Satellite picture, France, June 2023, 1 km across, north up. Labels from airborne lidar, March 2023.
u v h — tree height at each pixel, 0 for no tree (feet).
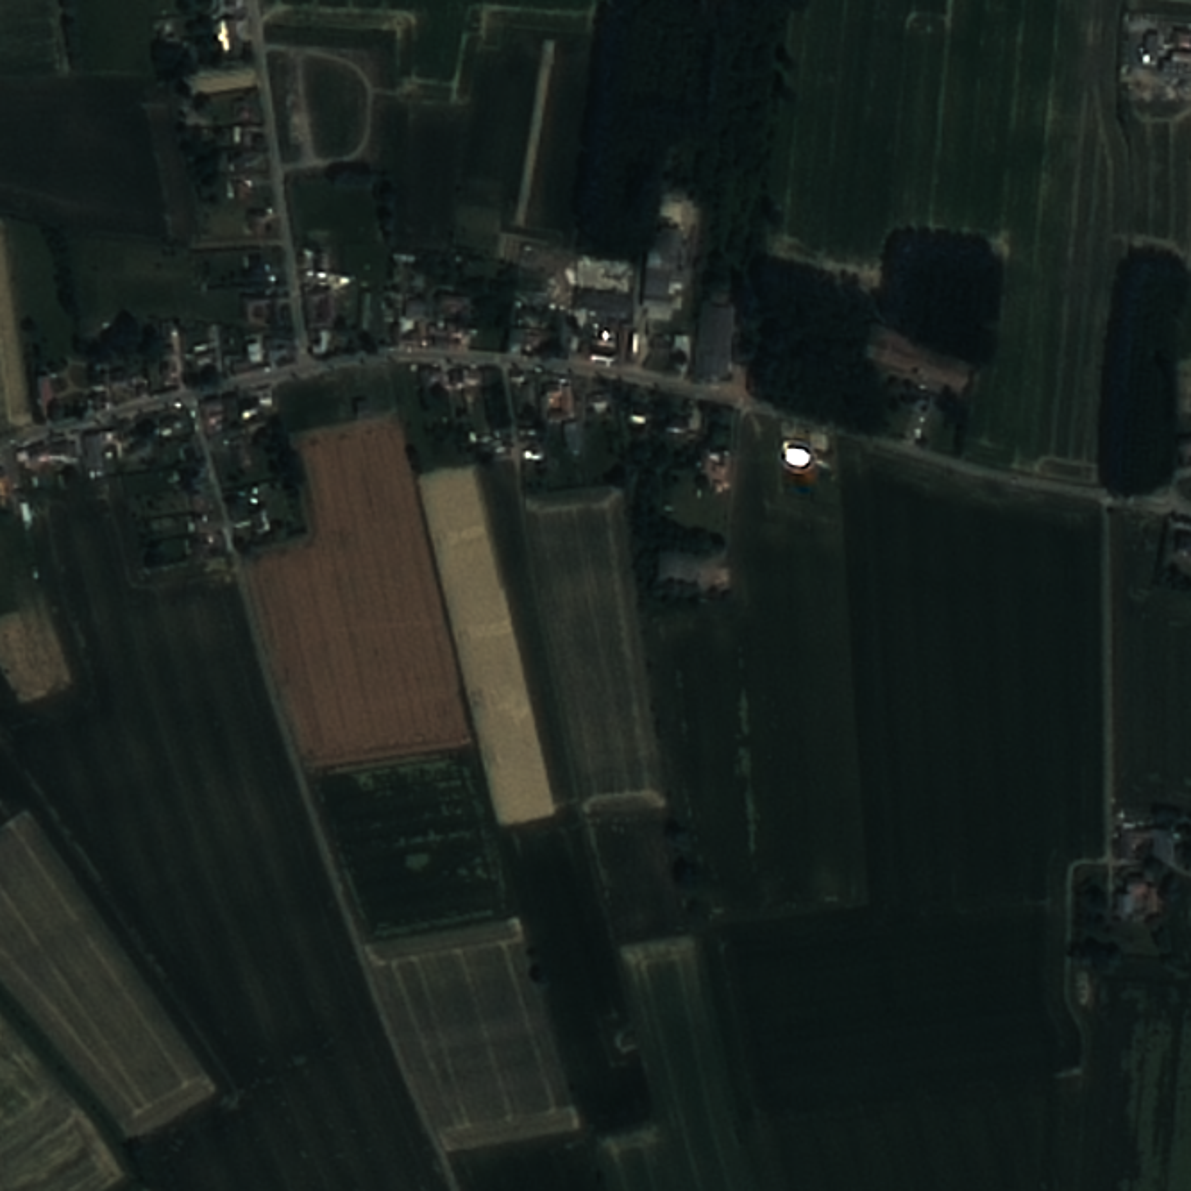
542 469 27
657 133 106
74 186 0
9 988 0
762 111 30
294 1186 0
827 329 85
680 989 0
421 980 0
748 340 46
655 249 0
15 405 0
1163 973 0
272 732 0
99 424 0
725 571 0
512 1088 0
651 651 0
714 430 34
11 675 0
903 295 100
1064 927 0
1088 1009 0
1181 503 0
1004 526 0
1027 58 0
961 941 0
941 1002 0
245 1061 0
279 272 0
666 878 0
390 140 0
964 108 0
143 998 0
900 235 0
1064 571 0
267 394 0
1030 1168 0
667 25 81
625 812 0
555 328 20
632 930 0
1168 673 0
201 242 0
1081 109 0
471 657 0
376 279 0
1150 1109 0
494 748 0
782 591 0
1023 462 0
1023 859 0
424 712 0
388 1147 0
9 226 0
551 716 0
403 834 0
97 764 0
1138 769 0
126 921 0
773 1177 0
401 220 0
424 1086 0
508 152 0
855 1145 0
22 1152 0
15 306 0
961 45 0
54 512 0
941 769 0
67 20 40
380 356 0
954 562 0
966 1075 0
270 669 0
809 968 0
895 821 0
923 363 0
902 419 0
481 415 0
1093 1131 0
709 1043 0
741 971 0
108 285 0
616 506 0
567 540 0
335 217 0
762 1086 0
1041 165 0
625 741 0
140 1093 0
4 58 0
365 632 0
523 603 0
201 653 0
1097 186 0
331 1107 0
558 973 0
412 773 0
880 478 0
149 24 0
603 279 0
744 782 0
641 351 0
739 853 0
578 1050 0
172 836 0
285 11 0
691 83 23
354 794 0
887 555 0
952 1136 0
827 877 0
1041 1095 0
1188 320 0
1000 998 0
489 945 0
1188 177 0
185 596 0
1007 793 0
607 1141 0
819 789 0
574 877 0
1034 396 0
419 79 0
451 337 0
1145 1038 0
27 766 0
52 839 0
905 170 0
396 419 0
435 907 0
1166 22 0
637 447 36
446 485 0
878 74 0
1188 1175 0
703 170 20
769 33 30
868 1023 0
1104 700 0
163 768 0
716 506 0
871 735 0
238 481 23
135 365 0
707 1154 0
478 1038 0
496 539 0
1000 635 0
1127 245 0
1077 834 0
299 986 0
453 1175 0
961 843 0
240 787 0
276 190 0
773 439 0
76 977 0
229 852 0
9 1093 0
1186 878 0
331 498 0
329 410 0
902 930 0
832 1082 0
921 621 0
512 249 0
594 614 0
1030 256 0
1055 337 0
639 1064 0
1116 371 93
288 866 0
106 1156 0
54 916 0
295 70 0
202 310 0
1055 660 0
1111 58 0
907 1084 0
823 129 0
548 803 0
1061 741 0
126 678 0
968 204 0
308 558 0
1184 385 0
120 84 0
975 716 0
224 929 0
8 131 0
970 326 110
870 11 0
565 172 0
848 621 0
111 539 0
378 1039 0
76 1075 0
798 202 0
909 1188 0
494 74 0
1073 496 0
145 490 0
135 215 0
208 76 0
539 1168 0
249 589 0
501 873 0
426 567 0
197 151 24
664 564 0
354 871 0
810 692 0
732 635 0
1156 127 0
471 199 0
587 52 0
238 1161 0
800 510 0
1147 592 0
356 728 0
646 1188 0
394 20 0
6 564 0
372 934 0
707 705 0
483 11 0
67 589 0
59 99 0
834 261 0
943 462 0
